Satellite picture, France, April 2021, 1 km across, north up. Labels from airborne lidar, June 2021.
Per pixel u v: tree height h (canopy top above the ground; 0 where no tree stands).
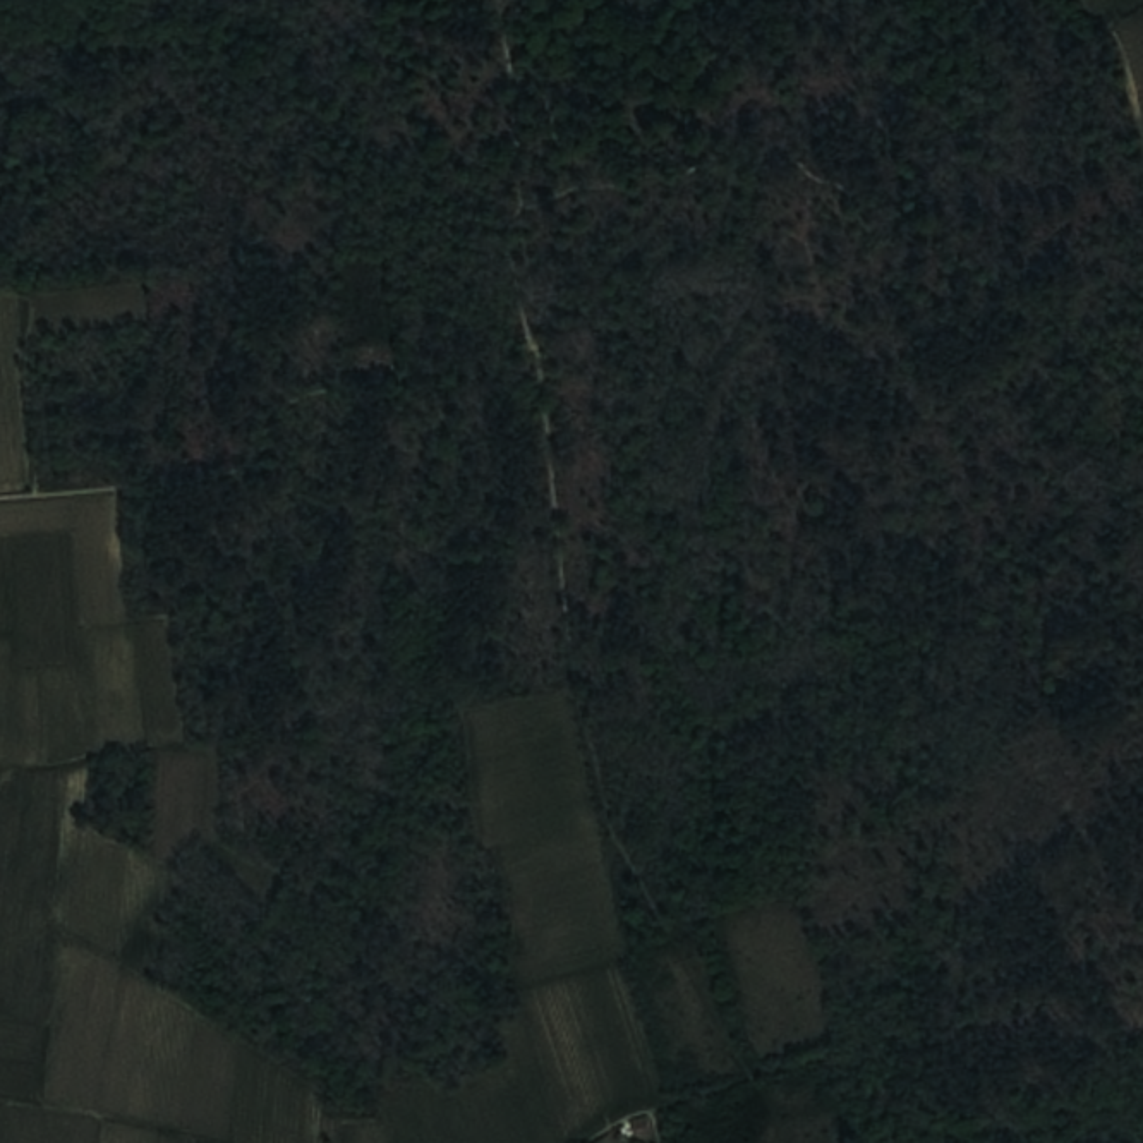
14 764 0
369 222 17
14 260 18
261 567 11
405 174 19
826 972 12
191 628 13
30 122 22
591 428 11
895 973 16
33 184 11
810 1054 15
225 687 22
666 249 14
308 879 13
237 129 9
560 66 20
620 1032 0
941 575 25
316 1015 15
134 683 0
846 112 20
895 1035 13
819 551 18
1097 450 11
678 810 23
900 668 21
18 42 19
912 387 16
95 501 0
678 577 22
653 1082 0
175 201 18
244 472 18
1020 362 14
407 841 14
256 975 20
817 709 13
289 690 27
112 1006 0
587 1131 0
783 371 9
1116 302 12
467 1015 18
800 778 16
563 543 12
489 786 0
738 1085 5
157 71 18
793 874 13
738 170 20
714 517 24
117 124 22
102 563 0
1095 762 12
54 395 12
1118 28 9
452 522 16
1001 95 21
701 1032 0
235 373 7
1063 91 8
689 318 16
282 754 12
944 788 12
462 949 12
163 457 6
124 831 9
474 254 16
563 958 0
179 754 0
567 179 13
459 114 24
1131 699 14
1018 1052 20
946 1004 20
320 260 17
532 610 13
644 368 14
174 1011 0
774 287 8
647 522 14
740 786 20
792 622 21
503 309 18
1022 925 24
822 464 26
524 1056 0
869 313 27
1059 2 15
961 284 20
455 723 20
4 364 0
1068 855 24
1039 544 14
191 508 26
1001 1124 8
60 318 0
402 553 12
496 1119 0
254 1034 15
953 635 19
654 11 15
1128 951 10
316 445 16
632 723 11
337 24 9
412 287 11
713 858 22
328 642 17
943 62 19
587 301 15
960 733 13
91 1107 0
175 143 8
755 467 16
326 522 21
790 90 13
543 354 10
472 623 19
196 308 7
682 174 11
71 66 23
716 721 18
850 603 18
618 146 25
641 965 6
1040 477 16
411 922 12
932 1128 19
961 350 25
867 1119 17
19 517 0
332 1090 17
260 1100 0
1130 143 18
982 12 12
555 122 17
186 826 0
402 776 22
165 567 26
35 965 0
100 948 0
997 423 10
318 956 22
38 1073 0
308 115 19
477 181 15
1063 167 7
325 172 18
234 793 14
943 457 16
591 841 0
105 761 11
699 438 19
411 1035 13
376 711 12
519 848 0
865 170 25
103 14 21
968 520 19
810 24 15
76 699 0
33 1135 0
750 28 19
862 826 17
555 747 0
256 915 22
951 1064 23
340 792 16
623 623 24
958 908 18
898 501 10
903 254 13
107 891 0
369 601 12
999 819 6
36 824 0
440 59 15
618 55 20
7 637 0
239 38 14
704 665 18
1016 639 13
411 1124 0
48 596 0
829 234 6
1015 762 11
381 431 26
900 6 20
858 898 0
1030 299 20
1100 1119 20
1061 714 21
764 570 14
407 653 20
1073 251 22
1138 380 14
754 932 0
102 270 19
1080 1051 27
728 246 17
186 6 15
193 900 17
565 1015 0
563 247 15
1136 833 24
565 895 0
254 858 17
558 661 11
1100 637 14
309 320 25
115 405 20
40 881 0
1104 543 14
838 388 11
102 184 7
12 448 0
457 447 22
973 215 21
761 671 14
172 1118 0
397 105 15
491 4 17
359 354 0
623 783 12
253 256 23
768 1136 0
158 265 14
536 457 14
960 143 8
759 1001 0
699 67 25
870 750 19
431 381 24
